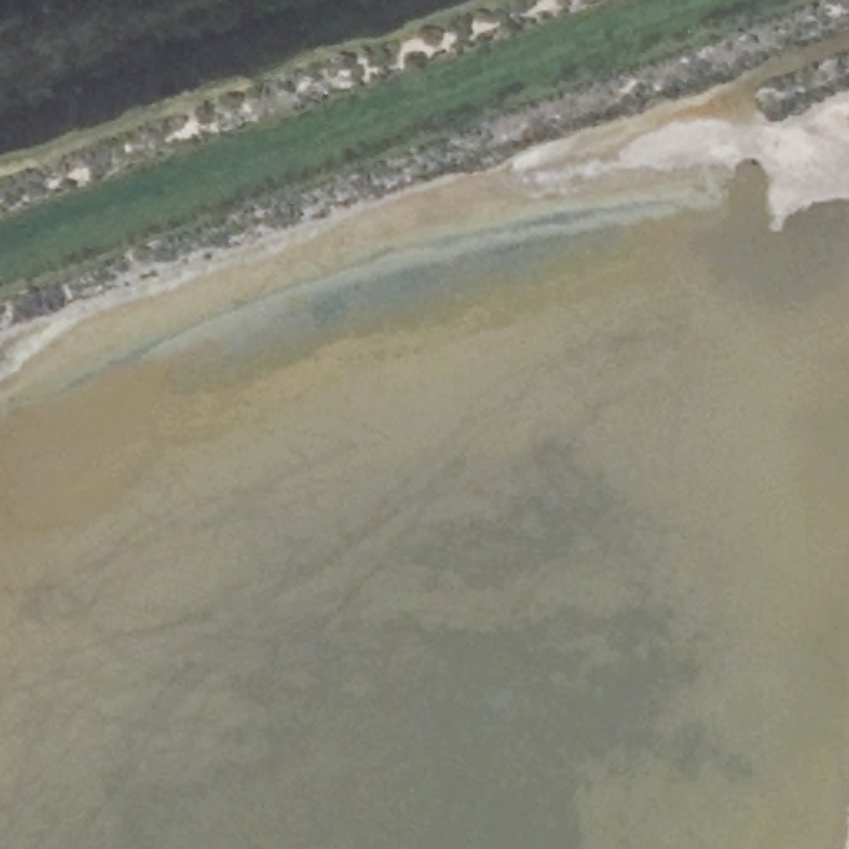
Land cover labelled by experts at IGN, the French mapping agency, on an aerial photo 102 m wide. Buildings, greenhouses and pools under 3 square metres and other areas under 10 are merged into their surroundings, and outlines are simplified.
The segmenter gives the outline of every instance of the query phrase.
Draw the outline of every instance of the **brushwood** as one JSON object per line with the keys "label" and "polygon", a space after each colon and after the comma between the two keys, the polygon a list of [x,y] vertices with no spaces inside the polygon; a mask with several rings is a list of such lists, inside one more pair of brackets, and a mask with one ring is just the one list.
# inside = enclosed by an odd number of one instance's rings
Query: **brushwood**
{"label": "brushwood", "polygon": [[[126,109],[109,123],[63,133],[53,143],[0,156],[0,219],[10,219],[30,206],[73,196],[83,189],[83,182],[99,186],[116,176],[136,172],[139,166],[166,163],[199,146],[212,146],[216,133],[252,133],[255,126],[315,113],[328,103],[345,99],[348,93],[361,96],[371,90],[371,83],[395,83],[401,70],[395,70],[395,53],[405,40],[421,36],[431,43],[444,33],[454,33],[451,53],[454,60],[468,60],[488,46],[497,46],[501,40],[527,36],[544,23],[554,23],[557,0],[464,0],[425,13],[395,33],[355,36],[332,46],[305,50],[275,70],[252,73],[249,80],[239,76],[186,90],[163,103]],[[322,76],[322,70],[348,70],[352,90],[302,93],[298,80],[315,80]]]}
{"label": "brushwood", "polygon": [[789,0],[786,7],[763,10],[756,20],[736,17],[733,23],[700,30],[693,40],[657,43],[653,50],[630,56],[620,70],[584,73],[557,86],[524,90],[504,99],[501,109],[468,119],[458,133],[421,133],[411,143],[395,146],[381,156],[355,159],[342,169],[328,169],[305,182],[265,192],[259,199],[242,202],[232,212],[206,212],[196,222],[133,242],[133,249],[99,252],[80,265],[43,272],[36,279],[23,279],[0,289],[0,318],[7,312],[7,302],[13,305],[17,322],[53,315],[63,305],[103,295],[119,272],[126,272],[136,262],[172,262],[202,245],[226,249],[232,235],[242,235],[259,226],[295,226],[305,206],[315,209],[315,219],[328,219],[332,209],[381,199],[451,172],[478,172],[504,159],[514,159],[531,146],[564,139],[587,126],[637,116],[653,103],[693,96],[716,83],[726,83],[730,90],[703,103],[703,113],[710,119],[726,123],[756,123],[756,116],[763,113],[769,123],[783,123],[849,90],[849,0]]}

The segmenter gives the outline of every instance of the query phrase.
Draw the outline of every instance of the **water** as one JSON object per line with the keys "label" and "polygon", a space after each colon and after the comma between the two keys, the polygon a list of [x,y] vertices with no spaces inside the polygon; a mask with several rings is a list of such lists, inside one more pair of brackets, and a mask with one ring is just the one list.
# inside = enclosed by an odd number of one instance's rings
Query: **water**
{"label": "water", "polygon": [[710,209],[683,209],[677,199],[647,199],[551,212],[474,232],[385,245],[358,259],[332,262],[312,275],[282,285],[262,285],[209,312],[166,325],[156,335],[136,342],[123,358],[109,361],[103,371],[83,371],[76,378],[50,375],[43,381],[33,381],[27,391],[0,401],[0,849],[849,849],[849,199],[813,202],[806,209],[789,212],[786,219],[773,216],[769,172],[759,159],[743,159],[726,179],[726,199]]}
{"label": "water", "polygon": [[332,46],[355,36],[395,33],[425,13],[464,0],[0,0],[0,156],[53,143],[63,133],[109,123],[126,109],[163,103],[186,90],[239,76],[249,80],[252,73],[275,70],[305,50]]}
{"label": "water", "polygon": [[139,166],[136,172],[116,176],[99,186],[83,182],[83,189],[73,196],[30,206],[10,219],[0,219],[0,289],[23,279],[36,279],[43,272],[80,265],[99,252],[133,249],[133,242],[196,222],[206,212],[232,212],[242,202],[259,199],[265,192],[305,182],[328,169],[342,169],[355,159],[381,156],[395,146],[411,143],[421,133],[458,133],[468,119],[501,109],[504,99],[524,90],[557,86],[584,73],[620,70],[630,56],[653,50],[657,43],[693,40],[700,30],[733,23],[736,17],[756,20],[763,10],[786,7],[789,0],[557,0],[554,23],[544,23],[527,36],[501,40],[497,46],[488,46],[468,60],[454,60],[451,53],[411,53],[408,66],[401,70],[395,83],[371,83],[371,90],[361,96],[348,93],[345,99],[328,103],[315,113],[255,126],[252,133],[216,133],[212,146],[199,146],[166,163]]}

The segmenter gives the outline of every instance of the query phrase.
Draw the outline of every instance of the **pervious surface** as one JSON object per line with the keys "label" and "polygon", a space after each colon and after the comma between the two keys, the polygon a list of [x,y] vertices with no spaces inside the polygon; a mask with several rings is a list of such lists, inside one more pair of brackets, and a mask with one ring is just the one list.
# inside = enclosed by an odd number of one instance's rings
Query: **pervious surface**
{"label": "pervious surface", "polygon": [[348,70],[322,70],[322,76],[315,80],[298,80],[302,93],[352,90]]}
{"label": "pervious surface", "polygon": [[401,70],[408,66],[411,53],[451,53],[454,33],[444,33],[431,43],[421,36],[405,40],[395,53],[395,70]]}
{"label": "pervious surface", "polygon": [[358,259],[385,245],[474,232],[551,212],[647,199],[677,199],[683,209],[710,209],[726,199],[726,179],[743,159],[759,159],[769,172],[773,216],[786,219],[789,212],[806,209],[813,202],[849,199],[849,90],[783,123],[769,123],[763,113],[756,116],[756,123],[726,123],[710,119],[703,113],[703,103],[730,90],[726,83],[716,83],[693,96],[653,103],[637,116],[587,126],[564,139],[531,146],[514,159],[504,159],[478,172],[451,172],[381,199],[332,209],[328,219],[315,219],[315,209],[305,206],[295,226],[259,226],[242,235],[232,235],[226,249],[202,245],[172,262],[136,262],[126,272],[119,272],[103,295],[63,305],[53,315],[17,322],[13,305],[7,302],[7,312],[0,318],[0,401],[27,391],[33,381],[43,381],[50,375],[76,378],[83,371],[103,371],[109,361],[123,358],[136,342],[156,335],[166,325],[209,312],[262,285],[282,285],[312,275],[332,262]]}

